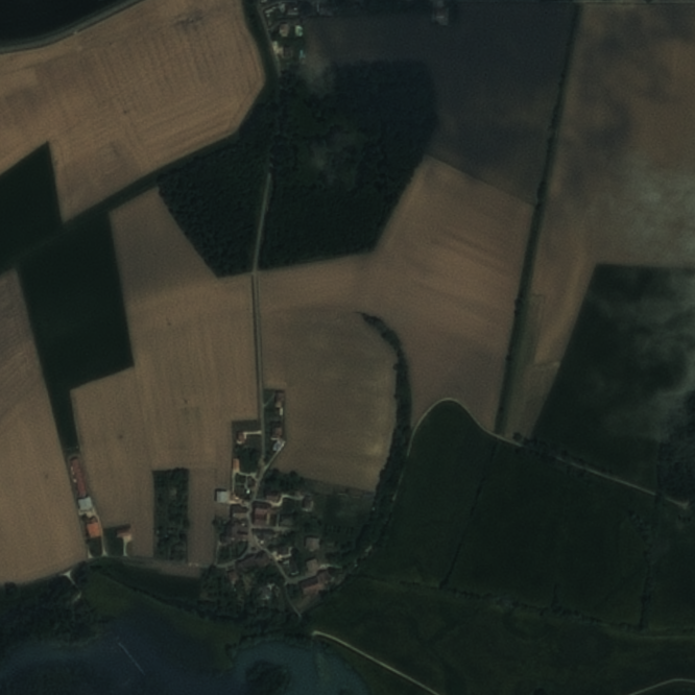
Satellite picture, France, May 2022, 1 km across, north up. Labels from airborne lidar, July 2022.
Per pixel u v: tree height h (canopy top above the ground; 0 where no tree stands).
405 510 0
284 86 19
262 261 7
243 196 18
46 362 0
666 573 0
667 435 15
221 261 12
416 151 20
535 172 0
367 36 0
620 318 0
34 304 0
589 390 0
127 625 0
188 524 7
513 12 0
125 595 0
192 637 0
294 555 15
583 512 0
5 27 0
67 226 0
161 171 0
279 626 11
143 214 0
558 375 0
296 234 12
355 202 12
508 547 0
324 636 0
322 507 0
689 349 0
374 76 28
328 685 0
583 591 0
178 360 0
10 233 0
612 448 0
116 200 0
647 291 0
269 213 9
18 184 0
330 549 0
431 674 0
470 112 0
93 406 0
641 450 0
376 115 28
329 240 12
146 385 0
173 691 0
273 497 0
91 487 0
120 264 0
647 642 0
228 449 0
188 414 0
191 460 0
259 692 10
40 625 6
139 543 0
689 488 20
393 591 0
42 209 0
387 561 0
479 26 0
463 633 0
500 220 0
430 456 0
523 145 0
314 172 0
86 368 0
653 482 0
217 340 0
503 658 0
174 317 0
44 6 0
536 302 0
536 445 14
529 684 0
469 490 0
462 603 0
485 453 0
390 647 0
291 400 0
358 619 0
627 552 0
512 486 0
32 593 0
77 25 0
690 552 0
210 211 18
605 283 0
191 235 13
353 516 0
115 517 0
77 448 0
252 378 0
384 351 0
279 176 21
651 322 0
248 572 6
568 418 0
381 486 9
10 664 0
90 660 0
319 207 13
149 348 0
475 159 0
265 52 0
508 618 0
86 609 20
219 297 0
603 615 0
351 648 0
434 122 18
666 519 0
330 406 0
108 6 0
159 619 0
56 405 0
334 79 25
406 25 0
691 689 0
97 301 0
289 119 25
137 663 0
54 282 0
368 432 0
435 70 0
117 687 0
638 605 0
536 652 0
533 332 0
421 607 0
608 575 0
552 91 0
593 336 0
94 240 0
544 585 0
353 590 0
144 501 0
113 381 0
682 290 0
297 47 0
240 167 15
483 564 0
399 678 0
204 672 13
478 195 0
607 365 0
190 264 0
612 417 0
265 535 0
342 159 27
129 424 0
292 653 0
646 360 0
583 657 0
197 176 20
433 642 0
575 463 14
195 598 0
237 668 0
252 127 18
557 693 0
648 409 0
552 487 0
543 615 12
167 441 0
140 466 0
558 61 0
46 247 0
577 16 0
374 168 27
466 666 0
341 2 21
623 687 0
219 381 0
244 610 7
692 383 14
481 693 0
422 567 0
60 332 0
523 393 0
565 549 0
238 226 18
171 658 0
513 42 0
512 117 0
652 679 0
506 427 0
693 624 0
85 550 0
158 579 0
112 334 0
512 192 0
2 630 28
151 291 0
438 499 0
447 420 0
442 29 0
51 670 0
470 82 0
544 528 0
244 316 0
